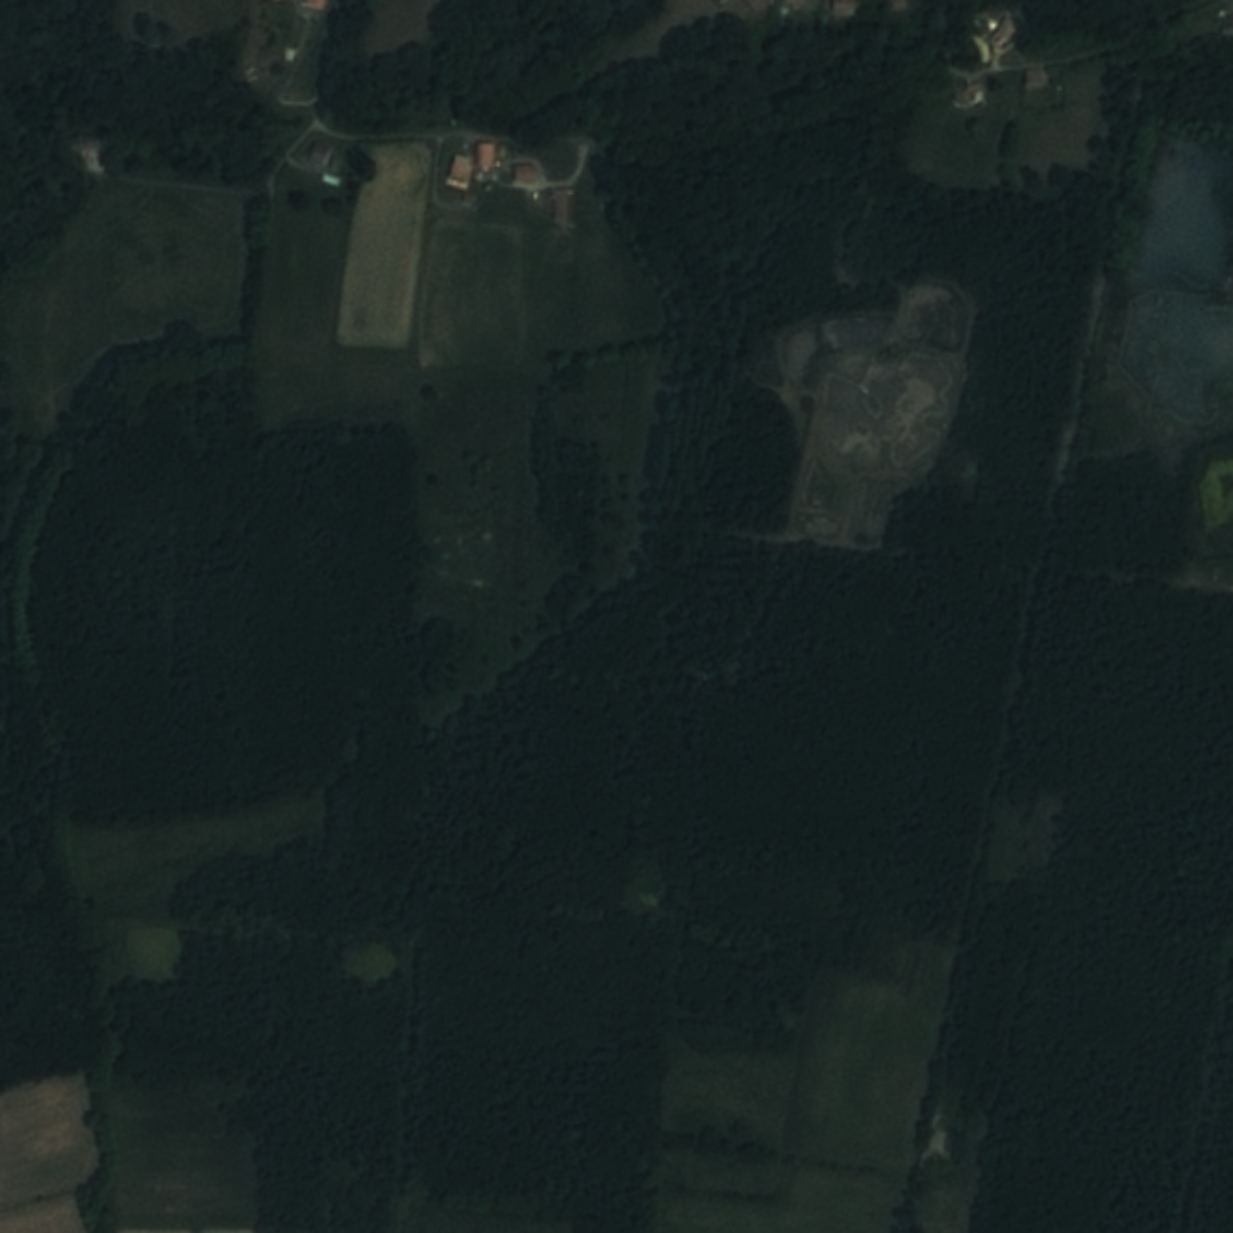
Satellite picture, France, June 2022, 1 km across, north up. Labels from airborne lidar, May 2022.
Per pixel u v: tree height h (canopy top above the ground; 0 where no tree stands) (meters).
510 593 0
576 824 22
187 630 21
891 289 12
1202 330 0
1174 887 15
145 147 30
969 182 0
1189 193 0
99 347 0
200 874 8
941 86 24
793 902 10
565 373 12
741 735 20
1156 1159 7
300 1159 20
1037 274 15
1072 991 11
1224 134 12
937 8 16
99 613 18
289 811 0
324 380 0
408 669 17
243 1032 13
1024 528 18
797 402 0
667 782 21
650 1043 10
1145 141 18
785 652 22
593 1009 7
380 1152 16
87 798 21
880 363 0
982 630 22
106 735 22
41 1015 18
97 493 26
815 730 20
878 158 22
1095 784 12
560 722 24
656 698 20
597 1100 20
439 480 9
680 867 13
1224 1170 16
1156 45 29
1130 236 17
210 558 9
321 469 19
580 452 21
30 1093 0
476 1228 0
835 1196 0
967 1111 10
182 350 23
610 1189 12
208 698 22
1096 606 17
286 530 19
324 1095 13
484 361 0
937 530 19
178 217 0
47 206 8
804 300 12
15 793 17
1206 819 19
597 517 11
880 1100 0
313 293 0
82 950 18
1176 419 0
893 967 0
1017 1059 17
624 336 0
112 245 0
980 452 11
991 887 10
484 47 27
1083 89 0
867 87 34
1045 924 10
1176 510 11
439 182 0
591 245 0
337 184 0
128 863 0
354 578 17
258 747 22
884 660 21
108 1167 14
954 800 22
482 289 0
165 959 0
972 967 15
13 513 0
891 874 11
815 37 21
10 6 27
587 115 31
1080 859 11
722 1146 11
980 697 23
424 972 12
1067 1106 19
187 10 0
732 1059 0
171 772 22
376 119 11
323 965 8
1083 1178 16
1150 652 12
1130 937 12
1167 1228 18
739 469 17
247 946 11
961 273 11
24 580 22
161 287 0
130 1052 12
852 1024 0
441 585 0
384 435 18
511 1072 19
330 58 22
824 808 21
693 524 13
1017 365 14
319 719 20
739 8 0
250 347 21
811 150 15
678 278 19
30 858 19
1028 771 16
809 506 0
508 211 0
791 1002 15
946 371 0
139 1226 0
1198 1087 11
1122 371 0
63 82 16
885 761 21
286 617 19
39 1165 0
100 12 25
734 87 22
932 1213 0
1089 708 16
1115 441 0
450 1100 19
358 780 18
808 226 16
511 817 23
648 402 0
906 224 16
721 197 14
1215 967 8
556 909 16
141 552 6
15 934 8
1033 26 29
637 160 27
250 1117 9
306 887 11
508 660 0
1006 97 0
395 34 0
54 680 21
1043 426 10
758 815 22
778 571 10
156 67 26
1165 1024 10
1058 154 0
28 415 0
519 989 10
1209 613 12
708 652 24
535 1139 15
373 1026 10
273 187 0
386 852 9
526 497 0
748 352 12
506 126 8
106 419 19
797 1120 0
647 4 27
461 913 11
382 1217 7
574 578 14
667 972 7
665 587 18
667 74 19
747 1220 0
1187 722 9
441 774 16
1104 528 10
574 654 22
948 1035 14
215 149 21
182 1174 0
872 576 21
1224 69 6
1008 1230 18
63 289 0
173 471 15
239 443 16
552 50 19
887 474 0
